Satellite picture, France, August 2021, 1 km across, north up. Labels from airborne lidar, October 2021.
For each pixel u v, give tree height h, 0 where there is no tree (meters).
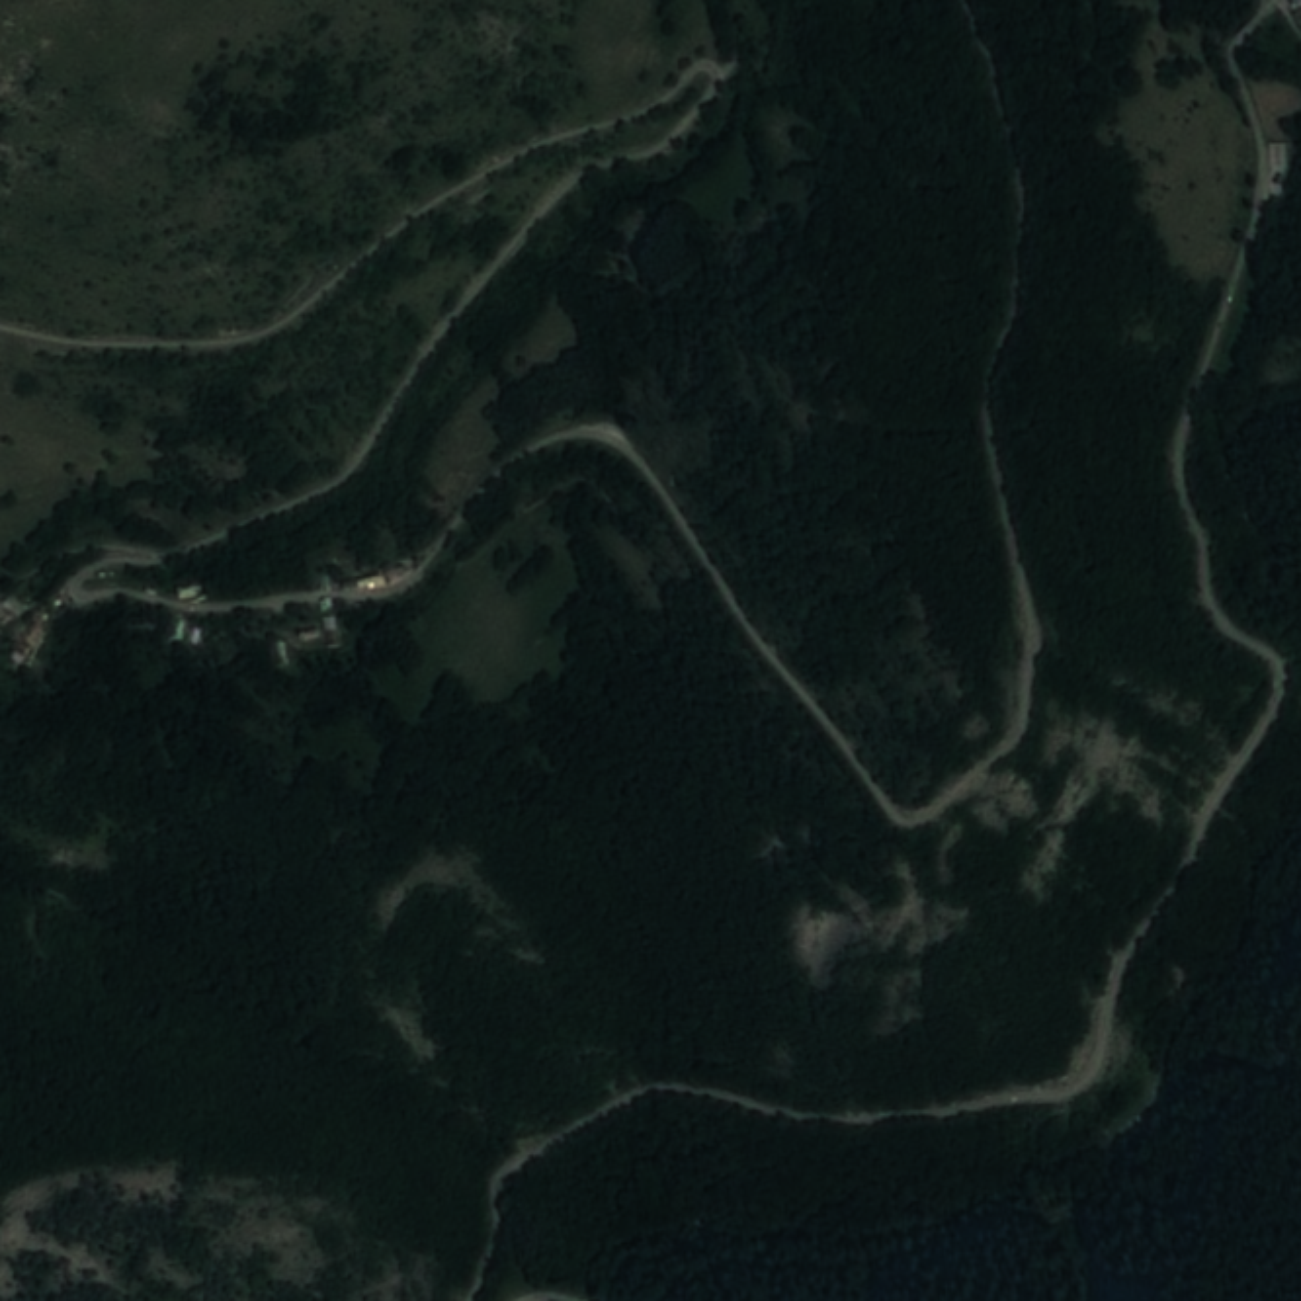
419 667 11
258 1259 7
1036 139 28
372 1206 12
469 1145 18
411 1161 18
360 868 13
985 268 25
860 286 19
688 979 14
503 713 16
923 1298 24
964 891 16
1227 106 0
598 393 13
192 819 23
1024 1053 14
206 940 25
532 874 16
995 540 21
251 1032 23
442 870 0
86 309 0
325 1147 16
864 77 14
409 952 17
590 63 0
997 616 19
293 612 11
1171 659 18
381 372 7
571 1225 17
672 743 19
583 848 21
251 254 6
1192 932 28
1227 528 22
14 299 0
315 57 10
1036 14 9
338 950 8
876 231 23
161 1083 22
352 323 8
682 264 24
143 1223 19
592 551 19
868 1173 26
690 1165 21
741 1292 31
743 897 19
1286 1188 15
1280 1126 23
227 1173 8
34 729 12
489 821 18
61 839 8
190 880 20
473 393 7
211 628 7
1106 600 24
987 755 10
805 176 13
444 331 0
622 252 14
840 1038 9
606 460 12
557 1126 11
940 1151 20
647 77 6
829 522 12
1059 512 22
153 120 0
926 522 18
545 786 17
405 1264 11
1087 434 30
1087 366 22
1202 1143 13
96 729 13
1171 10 18
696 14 0
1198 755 7
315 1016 19
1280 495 19
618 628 19
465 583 0
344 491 10
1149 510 25
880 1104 18
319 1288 9
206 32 0
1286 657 11
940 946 6
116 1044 22
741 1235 15
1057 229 27
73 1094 25
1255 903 24
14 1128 26
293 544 15
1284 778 26
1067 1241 20
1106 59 17
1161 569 28
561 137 0
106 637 18
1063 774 8
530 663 0
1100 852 18
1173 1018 16
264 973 16
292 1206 6
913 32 14
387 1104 27
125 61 0
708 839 18
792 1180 23
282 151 9
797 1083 7
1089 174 23
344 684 14
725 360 14
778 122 0
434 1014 8
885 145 13
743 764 8
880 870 11
